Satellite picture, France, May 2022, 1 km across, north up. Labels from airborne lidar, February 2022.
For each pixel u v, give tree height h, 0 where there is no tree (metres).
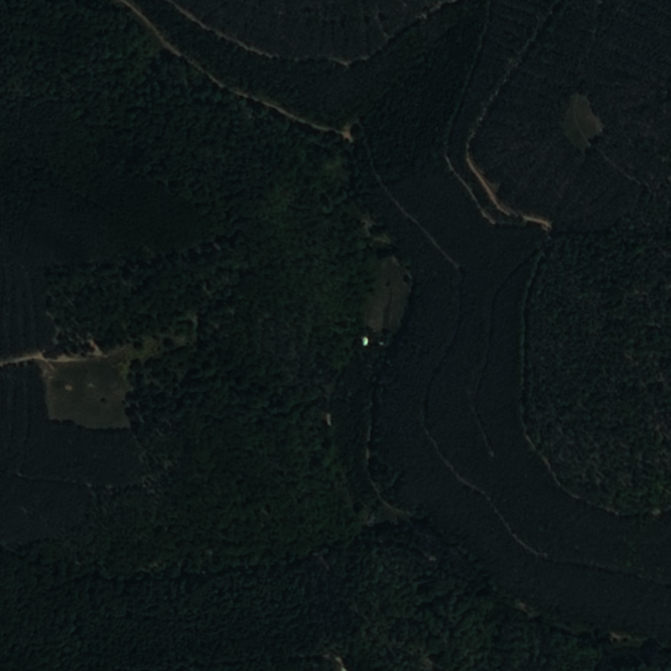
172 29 18
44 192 20
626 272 24
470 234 19
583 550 22
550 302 23
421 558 28
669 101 18
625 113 15
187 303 32
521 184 17
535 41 16
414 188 21
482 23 16
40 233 16
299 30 18
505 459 18
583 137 0
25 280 15
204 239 15
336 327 30
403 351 23
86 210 19
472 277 20
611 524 17
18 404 15
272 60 17
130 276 32
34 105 16
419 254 20
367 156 15
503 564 22
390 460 22
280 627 0
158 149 31
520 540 20
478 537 25
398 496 22
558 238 22
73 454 13
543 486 19
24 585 30
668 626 21
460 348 20
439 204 19
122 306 32
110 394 0
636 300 23
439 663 28
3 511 16
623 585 23
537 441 6
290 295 23
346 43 18
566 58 19
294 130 32
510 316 19
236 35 18
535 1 18
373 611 31
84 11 36
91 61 28
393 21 20
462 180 16
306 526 25
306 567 23
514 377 20
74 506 17
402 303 0
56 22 31
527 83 17
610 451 25
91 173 18
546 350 25
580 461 27
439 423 22
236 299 28
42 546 32
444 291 21
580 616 24
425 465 18
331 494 33
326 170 30
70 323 26
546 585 23
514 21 19
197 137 29
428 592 25
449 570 30
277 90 20
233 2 17
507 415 20
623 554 19
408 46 19
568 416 25
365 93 21
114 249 15
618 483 25
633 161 17
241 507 26
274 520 29
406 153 12
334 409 7
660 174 17
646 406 26
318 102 17
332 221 32
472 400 17
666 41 17
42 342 12
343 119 18
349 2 17
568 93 21
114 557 30
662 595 20
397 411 24
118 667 22
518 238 21
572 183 17
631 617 22
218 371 26
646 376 21
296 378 31
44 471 13
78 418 0
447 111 15
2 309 17
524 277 20
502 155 17
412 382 22
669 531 21
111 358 0
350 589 35
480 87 19
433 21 18
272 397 24
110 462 15
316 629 26
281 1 17
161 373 20
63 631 28
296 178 23
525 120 18
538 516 18
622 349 24
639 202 21
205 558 35
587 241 24
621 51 18
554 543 19
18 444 16
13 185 17
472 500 22
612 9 16
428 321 21
